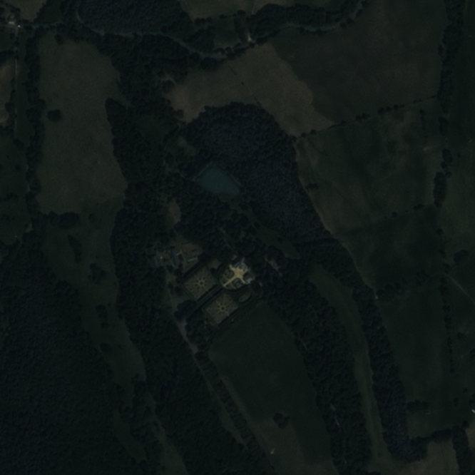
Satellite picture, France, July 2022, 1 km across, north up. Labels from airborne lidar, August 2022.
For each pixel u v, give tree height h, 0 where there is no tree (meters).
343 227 0
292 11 11
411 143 0
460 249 0
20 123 0
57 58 0
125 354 0
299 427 0
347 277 22
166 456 0
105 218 0
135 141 16
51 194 0
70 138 0
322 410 14
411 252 0
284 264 31
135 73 31
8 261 24
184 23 23
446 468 0
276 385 0
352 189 0
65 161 0
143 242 18
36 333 14
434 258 0
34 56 20
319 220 12
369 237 0
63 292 25
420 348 0
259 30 18
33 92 22
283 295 26
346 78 0
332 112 0
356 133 0
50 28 17
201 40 14
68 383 18
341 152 0
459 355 0
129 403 0
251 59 0
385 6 0
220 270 6
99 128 0
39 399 16
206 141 25
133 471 24
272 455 0
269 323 0
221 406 0
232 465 22
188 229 24
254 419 0
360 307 18
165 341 30
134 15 27
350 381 27
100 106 0
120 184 0
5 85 0
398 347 0
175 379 23
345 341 31
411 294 0
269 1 0
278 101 0
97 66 0
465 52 0
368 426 0
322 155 0
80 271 0
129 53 17
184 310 27
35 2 0
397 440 25
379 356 27
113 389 28
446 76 20
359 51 0
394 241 0
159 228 17
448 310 17
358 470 27
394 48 0
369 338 17
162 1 15
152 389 25
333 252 29
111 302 0
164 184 7
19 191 0
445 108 16
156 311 18
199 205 30
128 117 16
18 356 28
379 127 0
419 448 26
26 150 9
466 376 0
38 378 23
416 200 0
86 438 21
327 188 0
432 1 0
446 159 18
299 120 0
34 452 21
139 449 0
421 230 0
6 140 0
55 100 0
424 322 0
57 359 21
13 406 23
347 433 20
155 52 28
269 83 0
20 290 20
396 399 24
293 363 0
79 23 19
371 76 0
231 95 0
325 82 0
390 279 0
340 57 0
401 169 0
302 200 23
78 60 0
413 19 0
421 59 0
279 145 15
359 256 0
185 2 0
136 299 8
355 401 29
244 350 0
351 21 18
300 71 0
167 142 13
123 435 0
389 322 0
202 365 17
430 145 0
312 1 0
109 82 0
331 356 28
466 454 26
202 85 0
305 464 0
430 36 0
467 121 0
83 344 29
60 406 18
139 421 26
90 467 21
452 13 18
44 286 22
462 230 0
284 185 26
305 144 0
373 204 0
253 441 20
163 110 16
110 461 27
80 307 19
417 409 14
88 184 0
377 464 0
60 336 27
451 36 23
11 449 27
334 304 0
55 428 19
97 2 26
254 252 27
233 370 0
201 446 26
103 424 24
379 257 0
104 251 0
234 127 24
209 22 13
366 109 0
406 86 0
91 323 0
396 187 0
